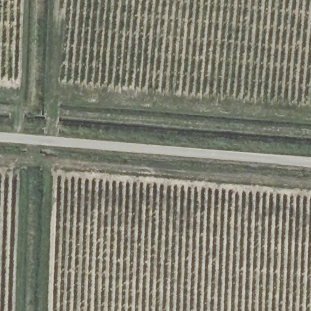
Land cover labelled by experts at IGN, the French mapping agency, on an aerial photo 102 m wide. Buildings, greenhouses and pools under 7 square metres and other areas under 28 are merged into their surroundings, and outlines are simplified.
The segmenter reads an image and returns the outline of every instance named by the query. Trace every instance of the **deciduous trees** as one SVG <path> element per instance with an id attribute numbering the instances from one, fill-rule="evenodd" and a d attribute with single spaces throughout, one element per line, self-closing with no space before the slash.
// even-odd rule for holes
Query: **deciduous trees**
<path id="1" fill-rule="evenodd" d="M 41 124 L 40 121 L 28 123 L 24 120 L 22 128 L 23 134 L 41 135 L 44 134 L 45 124 Z"/>
<path id="2" fill-rule="evenodd" d="M 63 125 L 60 130 L 61 137 L 311 157 L 311 146 L 236 142 L 221 137 L 170 137 L 158 134 L 153 137 L 136 132 Z"/>
<path id="3" fill-rule="evenodd" d="M 22 157 L 33 155 L 32 165 L 47 166 L 51 170 L 57 159 L 119 164 L 120 159 L 125 158 L 124 152 L 0 142 L 0 154 L 17 154 Z"/>

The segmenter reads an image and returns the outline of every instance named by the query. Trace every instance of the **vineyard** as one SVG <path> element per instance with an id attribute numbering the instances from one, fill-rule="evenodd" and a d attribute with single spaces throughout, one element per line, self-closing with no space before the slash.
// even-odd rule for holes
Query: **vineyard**
<path id="1" fill-rule="evenodd" d="M 0 0 L 0 87 L 16 89 L 21 86 L 24 90 L 23 100 L 27 101 L 30 98 L 29 91 L 36 94 L 38 45 L 30 41 L 34 0 Z"/>
<path id="2" fill-rule="evenodd" d="M 119 164 L 57 159 L 51 170 L 47 166 L 32 165 L 21 171 L 16 170 L 16 175 L 9 173 L 9 176 L 5 176 L 6 168 L 0 168 L 0 311 L 47 311 L 52 204 L 57 205 L 52 311 L 311 311 L 311 191 L 158 179 L 154 177 L 155 170 L 151 166 Z"/>
<path id="3" fill-rule="evenodd" d="M 158 92 L 165 89 L 165 94 L 169 95 L 169 90 L 173 90 L 173 86 L 179 89 L 176 91 L 177 96 L 214 97 L 215 102 L 225 100 L 230 94 L 232 100 L 234 96 L 239 96 L 239 100 L 245 96 L 247 101 L 250 95 L 253 95 L 253 102 L 256 102 L 256 95 L 264 97 L 264 92 L 267 92 L 267 96 L 277 97 L 278 92 L 281 92 L 281 97 L 288 100 L 289 104 L 309 107 L 311 103 L 311 0 L 55 0 L 55 21 L 62 21 L 66 17 L 67 7 L 70 7 L 67 43 L 62 44 L 66 52 L 62 55 L 64 66 L 61 78 L 58 79 L 60 84 L 84 86 L 86 90 L 107 89 L 115 92 L 113 103 L 121 106 L 126 98 L 136 97 L 148 89 Z"/>

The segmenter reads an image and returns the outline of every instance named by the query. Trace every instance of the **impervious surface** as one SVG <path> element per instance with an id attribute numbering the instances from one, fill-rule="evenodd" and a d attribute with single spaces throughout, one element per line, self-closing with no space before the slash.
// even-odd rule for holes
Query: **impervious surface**
<path id="1" fill-rule="evenodd" d="M 124 152 L 242 160 L 311 168 L 311 157 L 61 137 L 41 135 L 23 134 L 22 128 L 16 125 L 13 132 L 0 132 L 0 142 Z"/>

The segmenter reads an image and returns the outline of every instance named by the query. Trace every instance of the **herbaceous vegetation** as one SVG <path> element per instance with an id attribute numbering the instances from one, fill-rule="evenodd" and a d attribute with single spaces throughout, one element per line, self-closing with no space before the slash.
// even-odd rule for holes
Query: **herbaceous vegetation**
<path id="1" fill-rule="evenodd" d="M 21 171 L 32 165 L 33 155 L 22 157 L 17 154 L 0 154 L 0 168 L 6 168 L 5 176 L 9 176 L 9 173 L 16 175 L 16 170 Z"/>
<path id="2" fill-rule="evenodd" d="M 250 95 L 247 101 L 245 96 L 239 100 L 239 96 L 234 96 L 232 100 L 230 94 L 225 100 L 215 102 L 214 97 L 177 96 L 176 91 L 179 89 L 173 86 L 173 90 L 169 90 L 169 95 L 165 94 L 165 89 L 158 92 L 148 89 L 136 97 L 126 98 L 121 106 L 113 103 L 115 92 L 107 89 L 86 90 L 84 86 L 60 84 L 58 79 L 61 78 L 64 66 L 62 55 L 66 52 L 62 44 L 67 43 L 70 7 L 67 7 L 66 17 L 62 21 L 55 21 L 55 0 L 34 0 L 30 41 L 38 45 L 36 94 L 29 91 L 30 98 L 27 101 L 23 100 L 24 90 L 21 86 L 16 89 L 0 87 L 0 132 L 13 132 L 16 125 L 22 128 L 24 120 L 28 123 L 40 121 L 41 124 L 45 124 L 44 134 L 41 135 L 61 137 L 60 130 L 63 125 L 136 132 L 153 137 L 158 134 L 170 137 L 221 137 L 236 142 L 311 146 L 311 103 L 309 107 L 289 104 L 288 100 L 281 97 L 281 92 L 278 92 L 277 97 L 267 96 L 267 92 L 264 92 L 264 97 L 256 95 L 256 102 L 253 102 L 253 95 Z"/>
<path id="3" fill-rule="evenodd" d="M 57 205 L 52 204 L 47 311 L 52 311 Z"/>
<path id="4" fill-rule="evenodd" d="M 120 159 L 119 164 L 151 166 L 155 170 L 154 177 L 158 179 L 311 191 L 311 168 L 242 160 L 124 152 L 125 158 Z"/>

